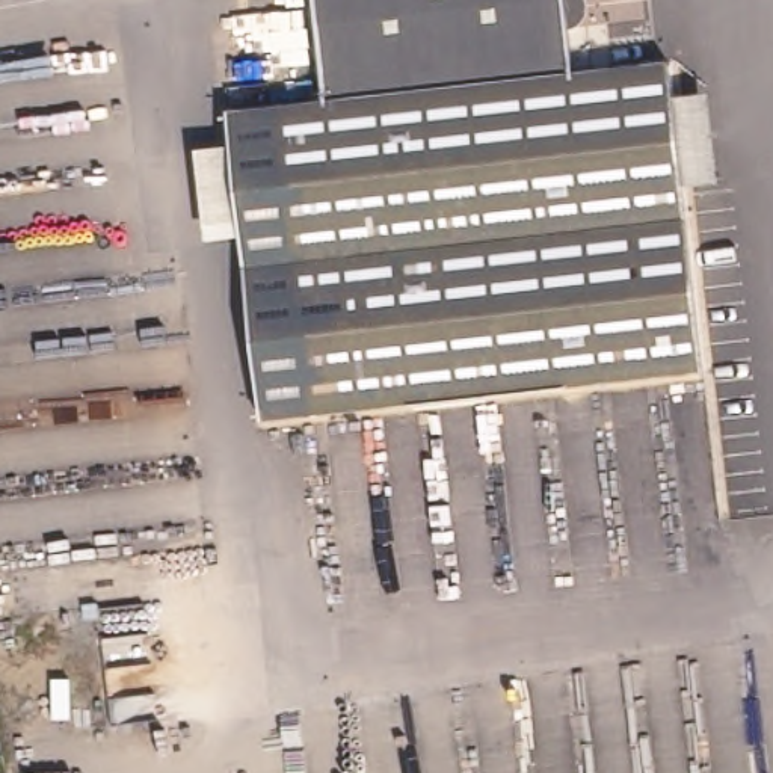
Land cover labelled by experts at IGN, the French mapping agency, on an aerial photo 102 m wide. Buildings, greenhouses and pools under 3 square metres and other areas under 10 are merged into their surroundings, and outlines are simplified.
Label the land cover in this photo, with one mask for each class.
<instances>
[{"label":"impervious surface","instance_id":"1","mask_svg":"<svg viewBox=\"0 0 773 773\"><path fill-rule=\"evenodd\" d=\"M565 48L574 51V69H622L664 60V69L676 75V100L670 103V109L676 112V124L670 127V157L664 166L676 181V190L652 196L658 205H679L688 260V308L682 311V326H691V338L685 344L688 356L698 359V368L685 374L601 380L480 399L387 405L371 408L365 423H344L341 414H326V426H317V432L290 429L284 438H272V429L254 426L251 417L254 393L245 350L239 254L229 239H202L193 151L217 148L223 142L220 112L226 109L293 106L317 100V72L305 69L308 45L302 27V0H0V773H773V0H583V21L562 33Z\"/></svg>","mask_w":773,"mask_h":773},{"label":"building","instance_id":"2","mask_svg":"<svg viewBox=\"0 0 773 773\"><path fill-rule=\"evenodd\" d=\"M583 21V0H302V27L308 45L305 69L317 72V100L293 106L226 109L220 112L223 142L217 148L193 151L202 239H229L239 254L245 350L254 393L251 417L254 426L272 429V438H284L290 429L317 432V426H326V414H341L344 423H365L371 408L387 405L480 399L601 380L685 374L698 368V359L688 356L685 344L691 338V326H682V311L688 308V260L679 205H658L652 196L676 190V181L664 166L670 157V127L676 124V112L670 109V103L676 100V75L664 69V60L622 69H574V51L565 48L562 33Z\"/></svg>","mask_w":773,"mask_h":773}]
</instances>
